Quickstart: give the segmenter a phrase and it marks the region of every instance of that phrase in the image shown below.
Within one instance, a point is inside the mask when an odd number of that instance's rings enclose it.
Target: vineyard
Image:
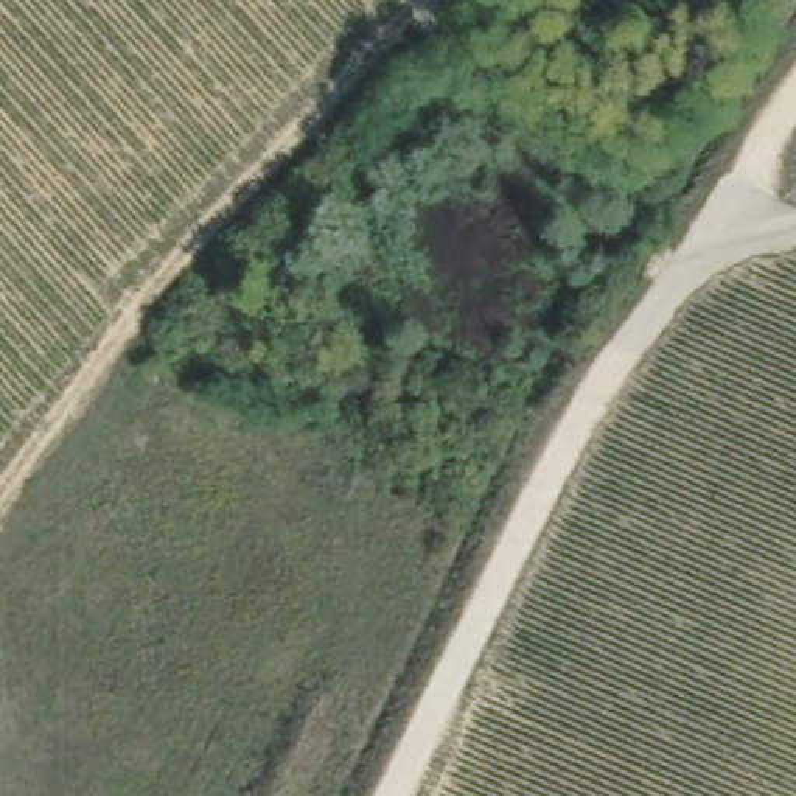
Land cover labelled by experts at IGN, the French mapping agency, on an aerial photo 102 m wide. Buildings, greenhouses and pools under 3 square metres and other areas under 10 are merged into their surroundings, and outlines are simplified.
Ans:
[[[345,31],[345,19],[376,12],[379,0],[0,0],[0,466],[44,423],[53,401],[81,370],[84,358],[100,345],[106,326],[118,320],[121,295],[134,289],[149,271],[155,271],[155,264],[174,249],[174,243],[183,233],[196,239],[196,233],[205,227],[199,215],[218,196],[227,196],[233,202],[246,183],[264,174],[264,168],[274,159],[264,152],[264,146],[277,131],[286,127],[286,121],[302,131],[302,124],[317,112],[317,103],[336,93],[330,59],[336,53],[339,34]]]
[[[777,199],[796,208],[796,131],[784,146],[777,187]]]
[[[544,519],[507,594],[507,603],[501,606],[494,628],[470,669],[451,721],[414,796],[796,796],[796,258],[790,258],[787,252],[762,252],[728,264],[687,295],[687,302],[675,311],[669,326],[637,361],[622,392],[613,398],[603,423],[591,432],[572,473],[566,476],[550,507],[550,516]]]

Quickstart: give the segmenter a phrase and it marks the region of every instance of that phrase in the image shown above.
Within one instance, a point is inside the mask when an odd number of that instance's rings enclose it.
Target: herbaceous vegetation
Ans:
[[[302,429],[249,429],[246,420],[239,420],[236,414],[227,414],[224,407],[180,389],[177,376],[155,379],[137,401],[127,379],[137,370],[137,364],[131,364],[121,354],[109,367],[106,379],[90,392],[90,401],[81,410],[81,417],[75,417],[62,429],[62,435],[50,445],[44,460],[25,479],[19,498],[6,501],[0,494],[0,796],[373,796],[535,460],[541,457],[553,426],[566,414],[581,379],[575,373],[566,373],[541,407],[529,410],[522,432],[513,438],[504,463],[498,466],[488,488],[479,498],[479,510],[470,532],[454,532],[448,525],[445,510],[429,513],[429,507],[423,507],[420,501],[404,504],[392,494],[389,482],[379,482],[364,470],[364,454],[348,457],[336,448],[333,438],[317,438],[317,432]]]

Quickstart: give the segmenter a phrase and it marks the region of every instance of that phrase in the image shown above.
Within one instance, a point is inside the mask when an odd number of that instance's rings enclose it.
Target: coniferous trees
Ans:
[[[681,75],[687,40],[693,34],[706,34],[715,53],[728,53],[740,37],[728,9],[712,9],[697,19],[687,12],[687,6],[678,6],[672,12],[672,34],[653,31],[647,16],[622,22],[606,37],[603,56],[591,62],[591,75],[581,78],[581,90],[550,90],[547,103],[591,115],[594,134],[600,137],[625,121],[631,96],[647,96],[665,78]]]

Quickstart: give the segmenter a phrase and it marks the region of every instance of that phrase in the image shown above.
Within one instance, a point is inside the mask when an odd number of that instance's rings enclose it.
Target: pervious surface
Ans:
[[[348,124],[370,100],[376,100],[382,81],[401,56],[426,56],[435,47],[435,40],[454,37],[454,22],[448,22],[445,16],[460,0],[379,0],[376,12],[345,19],[345,31],[339,34],[336,53],[330,59],[336,93],[317,103],[317,112],[302,124],[302,131],[286,121],[286,127],[277,131],[264,146],[264,152],[274,159],[264,168],[264,174],[246,183],[233,202],[227,196],[218,196],[199,215],[205,227],[196,233],[196,239],[183,233],[174,243],[174,249],[155,264],[155,271],[149,271],[134,289],[121,295],[118,320],[106,326],[100,345],[84,358],[81,370],[53,401],[44,423],[0,466],[0,494],[6,501],[19,498],[25,479],[44,460],[50,445],[62,435],[62,429],[75,417],[81,417],[81,410],[90,401],[90,392],[106,379],[109,367],[121,354],[140,330],[143,305],[149,305],[183,267],[190,267],[199,246],[218,255],[218,249],[224,249],[227,243],[233,246],[233,236],[239,230],[249,230],[258,221],[261,208],[274,196],[280,196],[277,180],[330,149],[330,137],[336,134],[336,127]]]
[[[566,476],[572,473],[591,432],[603,423],[613,398],[622,392],[637,361],[628,351],[622,351],[613,339],[594,358],[581,379],[566,414],[553,426],[541,457],[535,460],[373,796],[414,796],[451,721],[470,669],[494,628],[501,606],[507,603],[507,594],[544,519],[550,516],[550,507]]]
[[[734,168],[749,183],[777,187],[784,146],[796,131],[796,65],[752,121]]]

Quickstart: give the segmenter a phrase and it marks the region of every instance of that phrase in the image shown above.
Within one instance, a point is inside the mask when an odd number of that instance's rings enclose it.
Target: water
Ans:
[[[501,196],[494,202],[463,202],[460,196],[451,196],[435,205],[417,205],[414,249],[429,258],[432,286],[420,292],[407,280],[373,280],[370,267],[364,264],[354,264],[348,283],[367,286],[373,299],[386,299],[395,311],[401,311],[401,317],[407,320],[404,326],[420,326],[426,333],[426,345],[457,351],[460,364],[448,376],[454,382],[466,382],[470,389],[479,389],[485,386],[485,379],[494,376],[494,358],[504,351],[510,333],[544,330],[541,311],[550,305],[557,292],[557,277],[541,280],[535,274],[535,261],[541,255],[529,249],[519,218]]]

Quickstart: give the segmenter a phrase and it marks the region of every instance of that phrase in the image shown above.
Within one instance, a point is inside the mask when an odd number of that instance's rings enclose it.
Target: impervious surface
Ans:
[[[787,252],[790,258],[796,258],[796,208],[777,199],[777,187],[749,183],[734,168],[715,183],[681,246],[650,258],[650,289],[613,339],[622,351],[628,351],[637,361],[669,326],[675,311],[687,302],[687,295],[728,264],[762,252]]]

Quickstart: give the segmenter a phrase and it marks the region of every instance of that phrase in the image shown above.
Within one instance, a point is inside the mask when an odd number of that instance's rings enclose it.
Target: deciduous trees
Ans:
[[[706,34],[693,34],[687,40],[681,75],[665,78],[647,96],[631,96],[625,121],[600,137],[594,134],[591,115],[547,103],[550,90],[581,90],[581,78],[591,75],[591,62],[603,56],[606,37],[622,22],[647,16],[653,31],[672,34],[672,12],[678,6],[687,6],[687,12],[697,19],[712,9],[728,9],[740,37],[728,53],[715,53]],[[330,137],[330,149],[277,180],[280,196],[274,196],[261,208],[258,221],[249,230],[239,230],[233,236],[233,246],[227,243],[224,249],[218,249],[218,255],[199,246],[190,267],[183,267],[149,305],[143,305],[140,330],[121,354],[131,364],[137,364],[137,370],[127,379],[137,401],[155,379],[177,376],[180,389],[224,407],[227,414],[236,414],[239,420],[246,420],[249,429],[302,429],[317,432],[317,438],[333,438],[336,448],[348,457],[364,454],[364,470],[379,482],[389,482],[392,494],[404,504],[420,501],[423,507],[429,507],[429,513],[445,510],[448,525],[454,532],[470,532],[479,510],[479,498],[488,488],[498,466],[504,463],[513,438],[522,432],[529,410],[541,407],[566,373],[575,373],[581,379],[594,358],[613,339],[650,289],[650,258],[681,246],[715,183],[734,168],[752,121],[796,65],[796,0],[460,0],[445,16],[448,22],[454,22],[454,37],[435,40],[435,47],[426,56],[401,56],[382,81],[376,100],[370,100],[348,124],[336,127],[336,134]],[[429,258],[414,249],[417,205],[435,205],[451,196],[460,196],[463,202],[494,202],[501,196],[519,218],[529,249],[541,255],[535,261],[535,274],[541,280],[557,277],[557,292],[550,305],[541,311],[544,330],[510,333],[504,351],[494,358],[494,376],[485,379],[485,386],[479,389],[470,389],[466,382],[454,382],[448,376],[460,364],[457,351],[426,345],[426,333],[420,326],[404,326],[407,320],[401,317],[401,311],[395,311],[386,299],[373,299],[367,286],[348,283],[354,264],[364,264],[370,267],[373,280],[407,280],[420,292],[432,286]]]

